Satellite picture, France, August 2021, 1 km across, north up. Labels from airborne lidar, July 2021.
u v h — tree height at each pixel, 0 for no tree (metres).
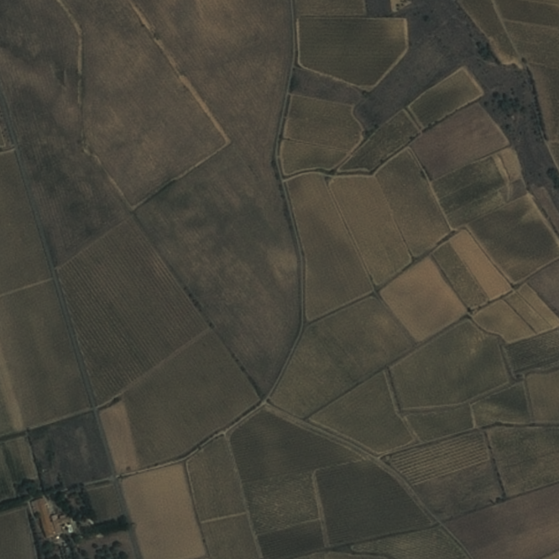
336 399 0
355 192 0
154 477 0
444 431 0
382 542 0
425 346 0
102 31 0
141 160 0
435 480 0
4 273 0
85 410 0
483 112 0
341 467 0
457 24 0
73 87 0
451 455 0
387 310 0
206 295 0
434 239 0
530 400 0
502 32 0
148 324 0
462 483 0
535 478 0
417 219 0
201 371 0
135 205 0
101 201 0
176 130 0
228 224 0
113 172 0
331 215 0
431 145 0
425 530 0
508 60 0
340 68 0
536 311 0
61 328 0
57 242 0
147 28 0
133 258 0
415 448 0
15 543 0
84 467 0
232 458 0
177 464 0
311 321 0
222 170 0
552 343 0
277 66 0
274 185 0
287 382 0
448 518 0
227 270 0
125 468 0
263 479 0
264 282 0
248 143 0
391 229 0
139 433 0
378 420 0
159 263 0
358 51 0
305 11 0
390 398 0
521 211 0
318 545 0
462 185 0
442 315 0
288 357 0
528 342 0
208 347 0
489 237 0
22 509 0
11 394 0
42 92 0
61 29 0
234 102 0
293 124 0
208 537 0
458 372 0
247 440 0
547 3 0
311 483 0
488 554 0
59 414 0
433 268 0
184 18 0
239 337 0
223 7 0
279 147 0
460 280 0
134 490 0
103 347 0
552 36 0
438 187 0
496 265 0
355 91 0
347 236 0
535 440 0
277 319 0
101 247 0
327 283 0
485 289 0
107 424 0
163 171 0
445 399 0
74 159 0
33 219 0
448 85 0
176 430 0
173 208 0
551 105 0
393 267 0
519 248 0
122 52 0
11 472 0
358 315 0
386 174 0
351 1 0
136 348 0
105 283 0
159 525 0
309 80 0
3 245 0
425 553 0
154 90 0
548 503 0
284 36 0
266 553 0
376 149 0
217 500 0
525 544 0
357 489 0
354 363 0
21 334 0
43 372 0
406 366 0
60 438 0
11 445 0
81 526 6
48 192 0
